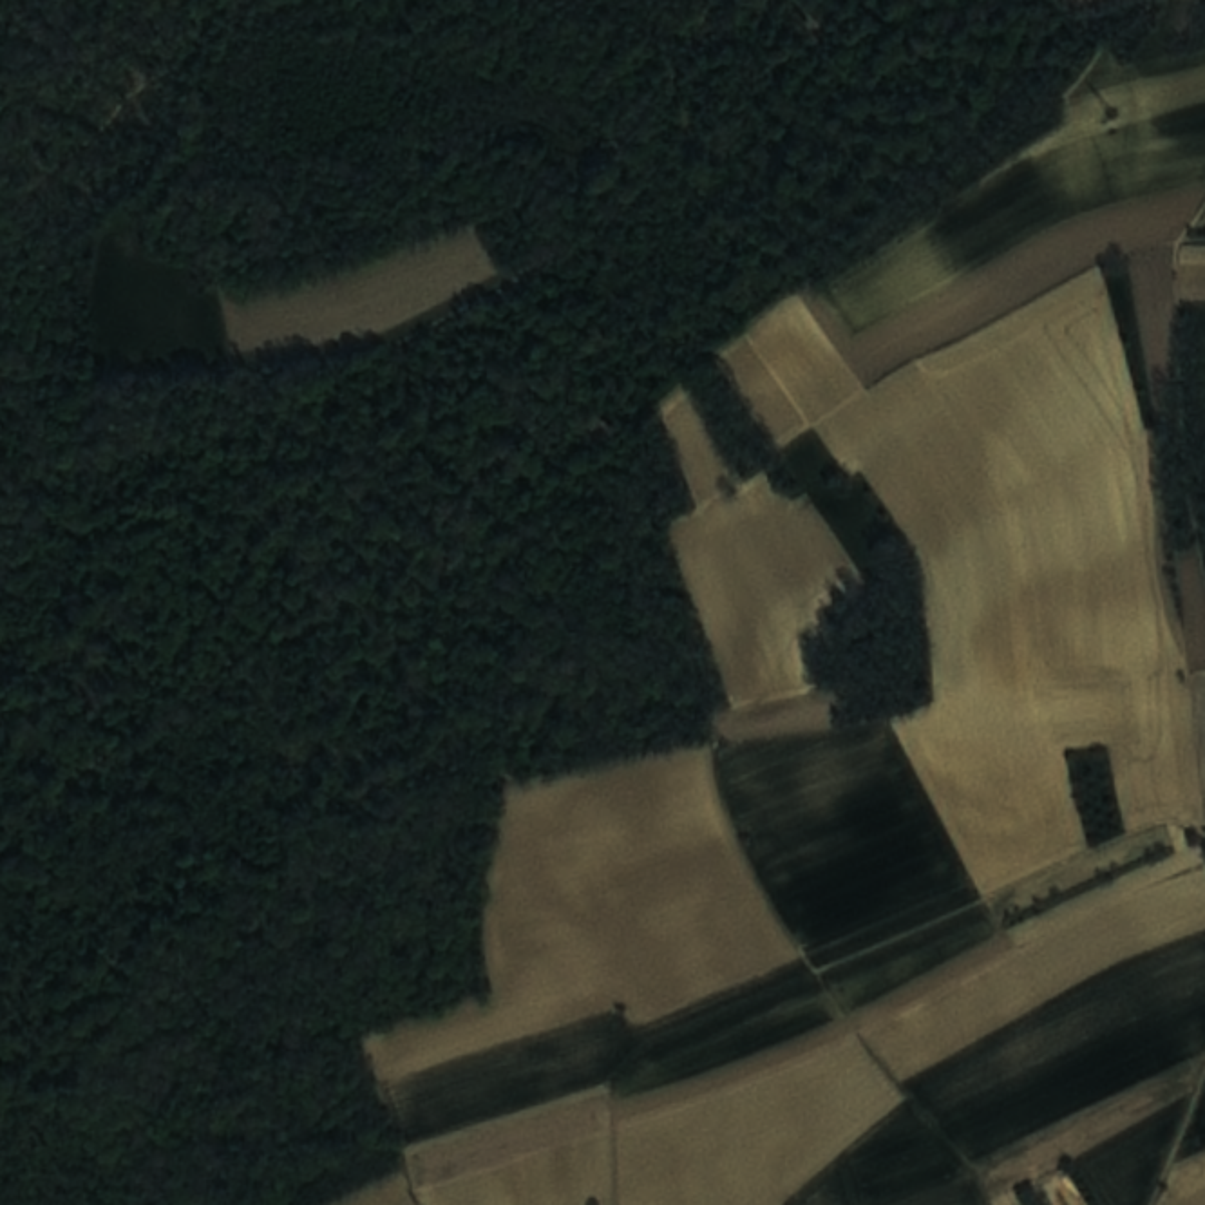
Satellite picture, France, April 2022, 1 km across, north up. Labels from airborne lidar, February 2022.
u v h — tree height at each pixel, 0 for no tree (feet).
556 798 0
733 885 0
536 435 93
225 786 68
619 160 94
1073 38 69
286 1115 98
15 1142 67
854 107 75
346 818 88
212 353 0
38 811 56
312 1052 98
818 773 0
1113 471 0
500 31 81
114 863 65
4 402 38
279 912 94
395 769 68
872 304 0
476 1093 0
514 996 0
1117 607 0
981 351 0
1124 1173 0
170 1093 108
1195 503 88
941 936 0
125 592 92
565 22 83
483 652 73
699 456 0
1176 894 0
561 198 82
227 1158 108
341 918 99
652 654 100
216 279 60
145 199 84
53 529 79
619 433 81
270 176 93
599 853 0
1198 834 36
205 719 64
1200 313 50
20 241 86
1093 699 0
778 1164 0
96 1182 60
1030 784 0
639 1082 0
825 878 0
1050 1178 0
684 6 64
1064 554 0
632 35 70
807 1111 0
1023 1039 0
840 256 82
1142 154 0
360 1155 100
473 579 77
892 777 0
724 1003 0
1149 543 0
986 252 0
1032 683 0
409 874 96
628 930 0
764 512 0
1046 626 0
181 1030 106
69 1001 70
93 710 77
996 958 0
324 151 83
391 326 0
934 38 81
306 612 88
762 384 0
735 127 94
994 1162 0
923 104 86
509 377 94
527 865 0
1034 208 0
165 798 94
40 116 80
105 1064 101
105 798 82
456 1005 64
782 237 86
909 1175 0
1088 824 28
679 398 0
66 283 92
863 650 81
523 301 65
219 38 93
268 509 89
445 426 86
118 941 77
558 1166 0
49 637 72
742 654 0
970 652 0
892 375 0
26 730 93
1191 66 0
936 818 0
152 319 0
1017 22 70
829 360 0
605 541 57
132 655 51
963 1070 0
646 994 0
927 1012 0
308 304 0
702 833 0
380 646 86
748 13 93
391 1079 0
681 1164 0
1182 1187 0
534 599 79
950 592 0
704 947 0
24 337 81
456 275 0
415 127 75
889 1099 0
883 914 0
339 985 106
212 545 73
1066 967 0
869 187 76
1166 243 0
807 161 92
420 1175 0
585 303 82
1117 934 0
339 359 78
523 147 85
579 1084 0
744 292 77
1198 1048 0
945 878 0
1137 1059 0
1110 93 0
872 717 52
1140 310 0
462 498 64
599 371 44
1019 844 0
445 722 80
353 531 57
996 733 0
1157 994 0
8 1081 96
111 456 68
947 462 0
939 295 0
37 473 83
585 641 104
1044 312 0
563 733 90
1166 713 0
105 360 0
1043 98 71
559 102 83
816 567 0
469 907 65
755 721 0
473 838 95
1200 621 0
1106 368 0
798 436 0
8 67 89
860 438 0
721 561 0
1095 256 0
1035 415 0
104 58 79
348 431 66
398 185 97
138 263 0
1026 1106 0
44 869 82
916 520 0
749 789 0
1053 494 0
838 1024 0
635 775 0
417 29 84
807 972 0
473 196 91
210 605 80
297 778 75
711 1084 0
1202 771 0
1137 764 0
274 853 84
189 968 93
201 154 86
